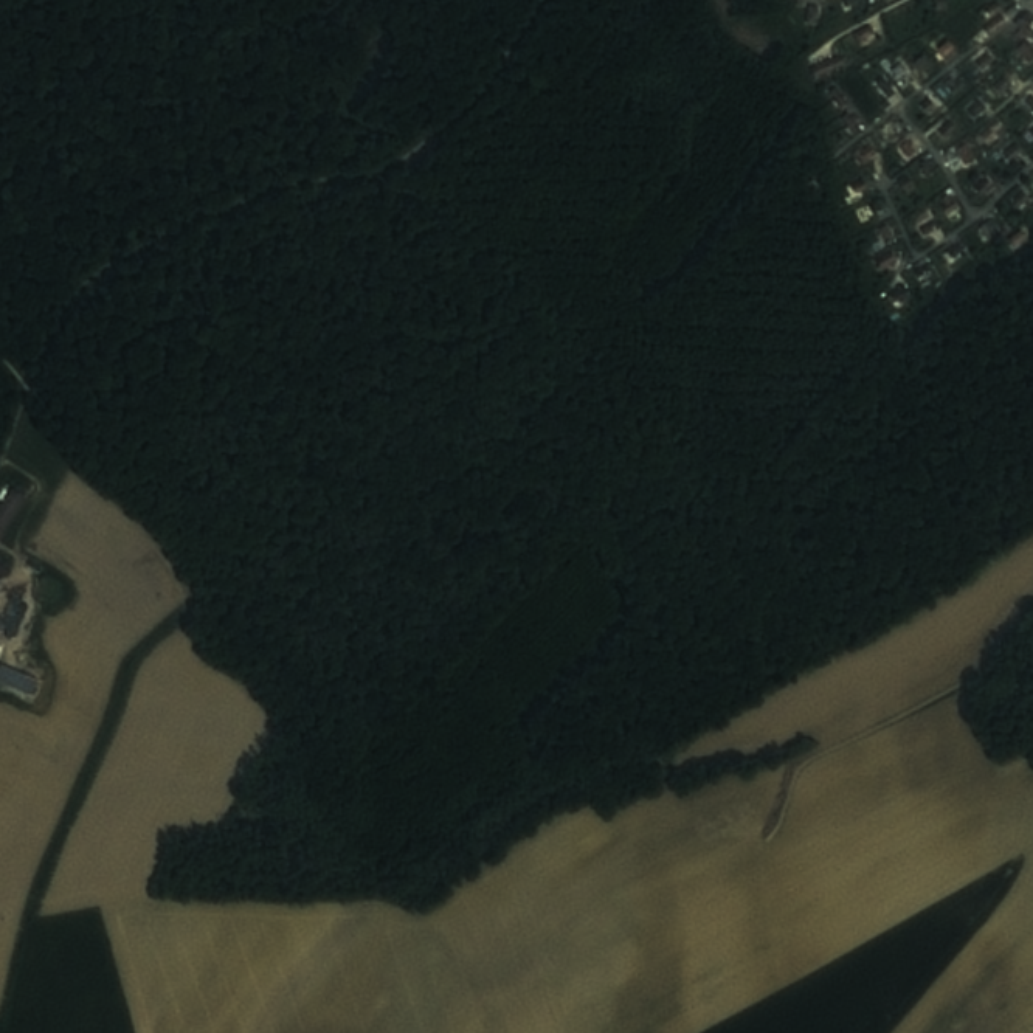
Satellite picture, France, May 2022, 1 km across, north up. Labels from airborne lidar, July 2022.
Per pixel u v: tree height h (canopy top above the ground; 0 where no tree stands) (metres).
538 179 19
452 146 26
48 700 0
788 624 29
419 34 27
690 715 30
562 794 25
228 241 25
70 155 28
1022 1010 0
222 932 0
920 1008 0
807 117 19
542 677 6
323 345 29
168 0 25
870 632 27
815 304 17
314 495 30
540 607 6
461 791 19
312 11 14
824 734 0
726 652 29
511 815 20
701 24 22
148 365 26
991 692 24
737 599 28
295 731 28
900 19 0
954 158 0
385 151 26
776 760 18
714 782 17
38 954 0
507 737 10
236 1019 0
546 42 31
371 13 27
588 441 28
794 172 22
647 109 17
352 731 27
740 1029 0
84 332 21
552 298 20
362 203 27
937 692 0
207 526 23
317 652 27
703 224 6
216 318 31
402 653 28
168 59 29
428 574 30
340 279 24
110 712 0
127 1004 0
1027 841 0
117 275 14
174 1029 0
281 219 29
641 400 28
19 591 0
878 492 22
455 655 29
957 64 0
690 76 21
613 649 28
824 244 20
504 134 20
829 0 0
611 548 27
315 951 0
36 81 28
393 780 10
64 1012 0
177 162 27
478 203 18
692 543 23
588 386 23
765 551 27
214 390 25
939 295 0
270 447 24
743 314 18
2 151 29
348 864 25
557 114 19
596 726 30
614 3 23
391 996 0
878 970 0
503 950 0
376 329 29
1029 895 0
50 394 28
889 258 0
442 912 0
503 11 30
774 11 21
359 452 25
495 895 0
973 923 0
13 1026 0
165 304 27
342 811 15
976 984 0
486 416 25
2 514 0
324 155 30
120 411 21
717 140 8
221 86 24
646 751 30
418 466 30
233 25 29
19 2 29
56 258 27
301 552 27
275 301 31
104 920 0
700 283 20
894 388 29
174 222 24
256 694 24
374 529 25
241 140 31
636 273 7
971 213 0
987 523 26
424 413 26
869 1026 0
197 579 15
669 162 19
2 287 27
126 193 29
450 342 12
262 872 26
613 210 20
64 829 0
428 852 23
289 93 29
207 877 21
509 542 26
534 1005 0
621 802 21
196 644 13
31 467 0
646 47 26
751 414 20
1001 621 0
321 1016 0
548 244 18
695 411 19
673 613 27
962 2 8
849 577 25
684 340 19
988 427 29
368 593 27
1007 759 7
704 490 26
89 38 29
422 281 26
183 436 21
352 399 25
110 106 26
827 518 26
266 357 26
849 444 25
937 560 28
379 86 28
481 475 27
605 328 20
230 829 24
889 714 0
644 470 24
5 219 31
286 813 27
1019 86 0
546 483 22
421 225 27
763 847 0
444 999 0
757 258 19
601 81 25
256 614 24
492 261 27
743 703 26
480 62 25
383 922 0
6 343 27
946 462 31
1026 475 26
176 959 0
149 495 22
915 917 0
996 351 29
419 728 12
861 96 0
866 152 0
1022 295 28
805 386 19
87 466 24
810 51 7
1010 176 11
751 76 7
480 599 30
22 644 0
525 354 25
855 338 20
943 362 28
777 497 27
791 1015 0
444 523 30
